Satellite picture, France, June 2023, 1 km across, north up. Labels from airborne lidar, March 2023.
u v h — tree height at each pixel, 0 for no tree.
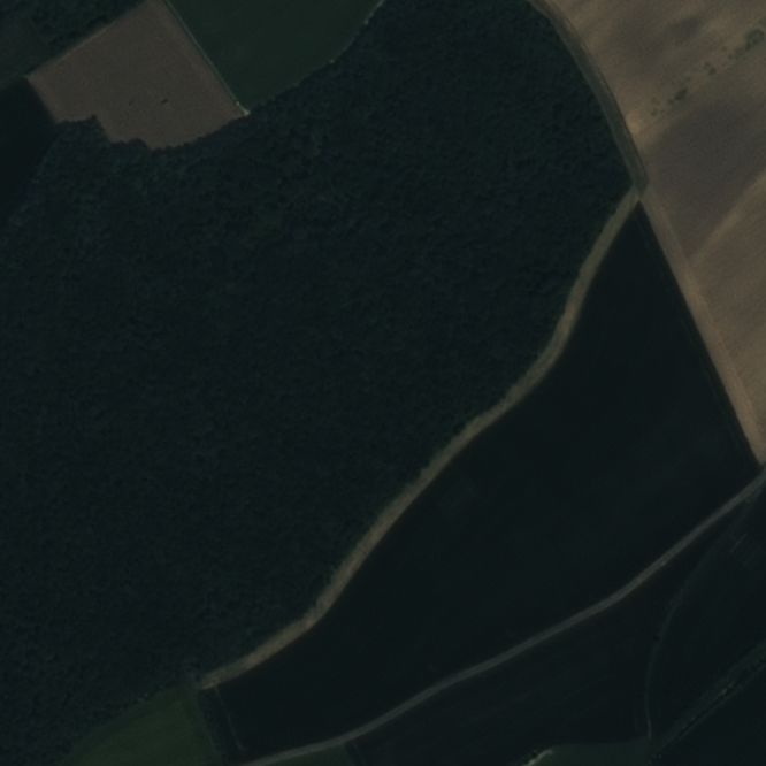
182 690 0
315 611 0
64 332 21
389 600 0
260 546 25
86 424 27
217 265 20
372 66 20
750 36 0
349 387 29
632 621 0
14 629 26
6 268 16
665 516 0
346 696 0
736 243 0
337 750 0
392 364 25
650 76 0
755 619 0
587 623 0
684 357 0
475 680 0
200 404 24
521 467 0
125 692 15
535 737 0
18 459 26
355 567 0
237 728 0
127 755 0
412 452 22
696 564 0
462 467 0
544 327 11
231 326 27
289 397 30
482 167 21
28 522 27
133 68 0
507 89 18
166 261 21
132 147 16
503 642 0
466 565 0
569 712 0
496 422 0
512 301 19
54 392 21
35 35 0
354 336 24
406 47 22
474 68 20
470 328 26
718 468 0
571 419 0
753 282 0
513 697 0
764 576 0
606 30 0
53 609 27
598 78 0
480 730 0
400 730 0
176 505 25
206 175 19
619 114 0
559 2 0
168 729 0
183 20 0
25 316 25
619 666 0
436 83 19
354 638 0
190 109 0
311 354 26
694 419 0
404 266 20
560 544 0
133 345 25
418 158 19
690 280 0
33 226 25
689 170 0
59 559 27
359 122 20
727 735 0
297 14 0
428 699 0
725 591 0
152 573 27
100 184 11
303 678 0
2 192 0
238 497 27
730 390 0
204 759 0
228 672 0
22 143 0
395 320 26
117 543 28
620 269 0
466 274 18
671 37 0
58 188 17
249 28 0
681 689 0
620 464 0
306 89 14
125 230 25
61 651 27
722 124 0
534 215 23
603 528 0
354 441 28
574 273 11
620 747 0
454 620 0
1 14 23
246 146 21
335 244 26
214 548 24
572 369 0
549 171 18
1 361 18
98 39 0
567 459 0
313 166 12
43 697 22
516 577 0
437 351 23
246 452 26
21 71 0
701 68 0
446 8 17
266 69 0
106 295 27
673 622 0
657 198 0
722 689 0
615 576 0
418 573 0
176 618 22
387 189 25
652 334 0
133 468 31
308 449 28
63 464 25
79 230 21
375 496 16
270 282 22
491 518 0
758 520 0
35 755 19
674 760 0
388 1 6
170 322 26
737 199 0
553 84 17
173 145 0
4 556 26
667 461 0
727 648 0
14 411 25
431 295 23
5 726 23
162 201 25
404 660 0
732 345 0
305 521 23
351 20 0
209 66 0
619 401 0
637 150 0
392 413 24
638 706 0
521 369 10
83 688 21
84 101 0
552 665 0
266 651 0
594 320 0
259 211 20
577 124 12
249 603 16
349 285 22
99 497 24
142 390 28
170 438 28
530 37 17
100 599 26
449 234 21
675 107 0
